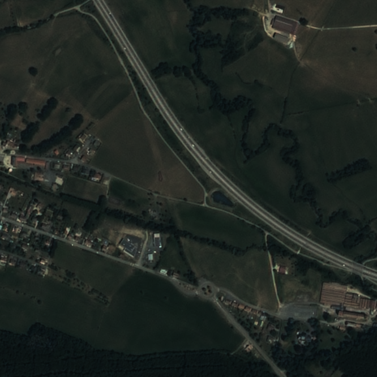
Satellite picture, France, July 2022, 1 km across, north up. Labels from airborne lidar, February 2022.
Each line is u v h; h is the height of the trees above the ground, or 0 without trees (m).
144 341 0
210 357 12
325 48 0
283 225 0
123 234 0
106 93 0
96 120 0
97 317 0
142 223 14
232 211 0
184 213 0
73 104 0
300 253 0
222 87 0
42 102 0
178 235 8
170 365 18
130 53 0
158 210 0
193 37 15
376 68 0
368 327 12
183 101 0
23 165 0
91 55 0
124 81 0
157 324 0
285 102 10
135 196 0
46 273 0
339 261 0
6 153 7
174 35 0
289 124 0
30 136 24
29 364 11
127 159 0
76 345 23
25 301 0
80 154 0
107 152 0
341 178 7
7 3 0
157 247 0
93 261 0
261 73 0
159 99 0
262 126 0
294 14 0
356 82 0
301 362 24
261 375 26
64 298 0
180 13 0
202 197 0
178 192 0
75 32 0
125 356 12
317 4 0
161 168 0
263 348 0
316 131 0
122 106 0
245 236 0
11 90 0
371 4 0
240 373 16
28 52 0
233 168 0
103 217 0
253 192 0
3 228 0
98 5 0
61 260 0
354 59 0
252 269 0
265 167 0
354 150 0
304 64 0
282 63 0
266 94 0
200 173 0
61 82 0
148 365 16
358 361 6
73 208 0
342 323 0
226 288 0
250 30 0
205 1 0
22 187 0
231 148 0
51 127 0
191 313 0
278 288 0
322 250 0
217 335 0
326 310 0
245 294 0
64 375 13
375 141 0
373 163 0
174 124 0
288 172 0
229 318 0
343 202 0
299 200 6
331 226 0
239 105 15
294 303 0
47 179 0
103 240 0
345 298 0
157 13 0
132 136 0
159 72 13
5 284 0
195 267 0
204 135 0
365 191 0
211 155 0
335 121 0
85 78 0
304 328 0
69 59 0
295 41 0
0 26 0
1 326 0
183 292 0
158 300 0
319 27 0
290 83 0
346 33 0
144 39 0
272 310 0
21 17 0
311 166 0
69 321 0
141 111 0
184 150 0
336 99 0
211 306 0
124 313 0
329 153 0
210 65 0
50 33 0
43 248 8
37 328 17
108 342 0
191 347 0
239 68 0
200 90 0
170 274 6
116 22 0
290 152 11
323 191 0
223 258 0
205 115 0
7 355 12
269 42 0
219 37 13
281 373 0
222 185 0
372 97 0
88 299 0
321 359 16
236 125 0
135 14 0
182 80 0
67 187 0
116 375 18
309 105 0
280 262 0
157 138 0
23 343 24
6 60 0
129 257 0
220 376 13
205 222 0
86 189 0
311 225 0
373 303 0
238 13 10
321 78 0
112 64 0
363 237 14
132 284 0
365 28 0
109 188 0
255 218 0
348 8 0
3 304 0
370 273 0
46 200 0
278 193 0
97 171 0
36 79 0
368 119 0
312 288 0
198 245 0
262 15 0
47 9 0
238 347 0
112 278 0
